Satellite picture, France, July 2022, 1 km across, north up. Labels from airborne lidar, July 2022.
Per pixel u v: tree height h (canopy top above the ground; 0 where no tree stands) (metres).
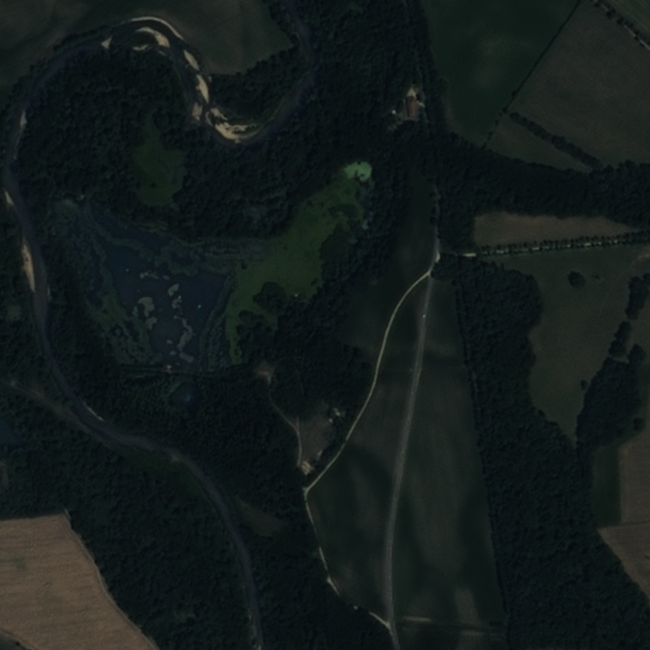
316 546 12
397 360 0
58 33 0
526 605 30
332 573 0
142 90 12
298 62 7
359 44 7
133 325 0
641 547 0
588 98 0
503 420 25
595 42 0
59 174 18
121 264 0
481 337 23
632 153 0
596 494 0
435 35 0
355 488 0
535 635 22
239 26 0
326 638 14
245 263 0
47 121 18
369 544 0
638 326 0
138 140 18
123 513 13
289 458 15
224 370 7
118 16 0
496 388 21
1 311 22
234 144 0
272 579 17
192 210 18
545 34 0
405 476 0
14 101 7
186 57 0
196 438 27
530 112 0
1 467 0
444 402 0
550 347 0
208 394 29
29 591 0
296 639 19
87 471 14
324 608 14
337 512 0
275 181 23
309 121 30
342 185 0
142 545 17
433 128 15
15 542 0
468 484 0
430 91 14
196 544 19
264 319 8
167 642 14
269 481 20
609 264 0
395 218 15
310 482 7
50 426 19
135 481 21
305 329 20
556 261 0
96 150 25
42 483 18
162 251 0
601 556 27
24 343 14
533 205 23
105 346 16
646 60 0
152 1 0
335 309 24
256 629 0
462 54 0
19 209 0
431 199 9
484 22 0
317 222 0
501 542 21
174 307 0
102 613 0
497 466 23
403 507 0
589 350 0
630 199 27
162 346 0
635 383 23
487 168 16
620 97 0
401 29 18
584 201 18
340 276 24
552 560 31
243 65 0
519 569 27
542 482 21
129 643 0
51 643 0
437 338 0
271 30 0
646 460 0
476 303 25
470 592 0
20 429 19
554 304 0
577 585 26
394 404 0
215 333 0
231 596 19
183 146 25
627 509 0
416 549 0
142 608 22
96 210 0
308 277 0
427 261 0
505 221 0
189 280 0
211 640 21
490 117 0
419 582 0
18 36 0
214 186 22
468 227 19
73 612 0
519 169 21
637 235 11
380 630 17
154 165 0
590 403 27
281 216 21
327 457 10
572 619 23
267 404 11
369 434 0
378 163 18
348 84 19
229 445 35
